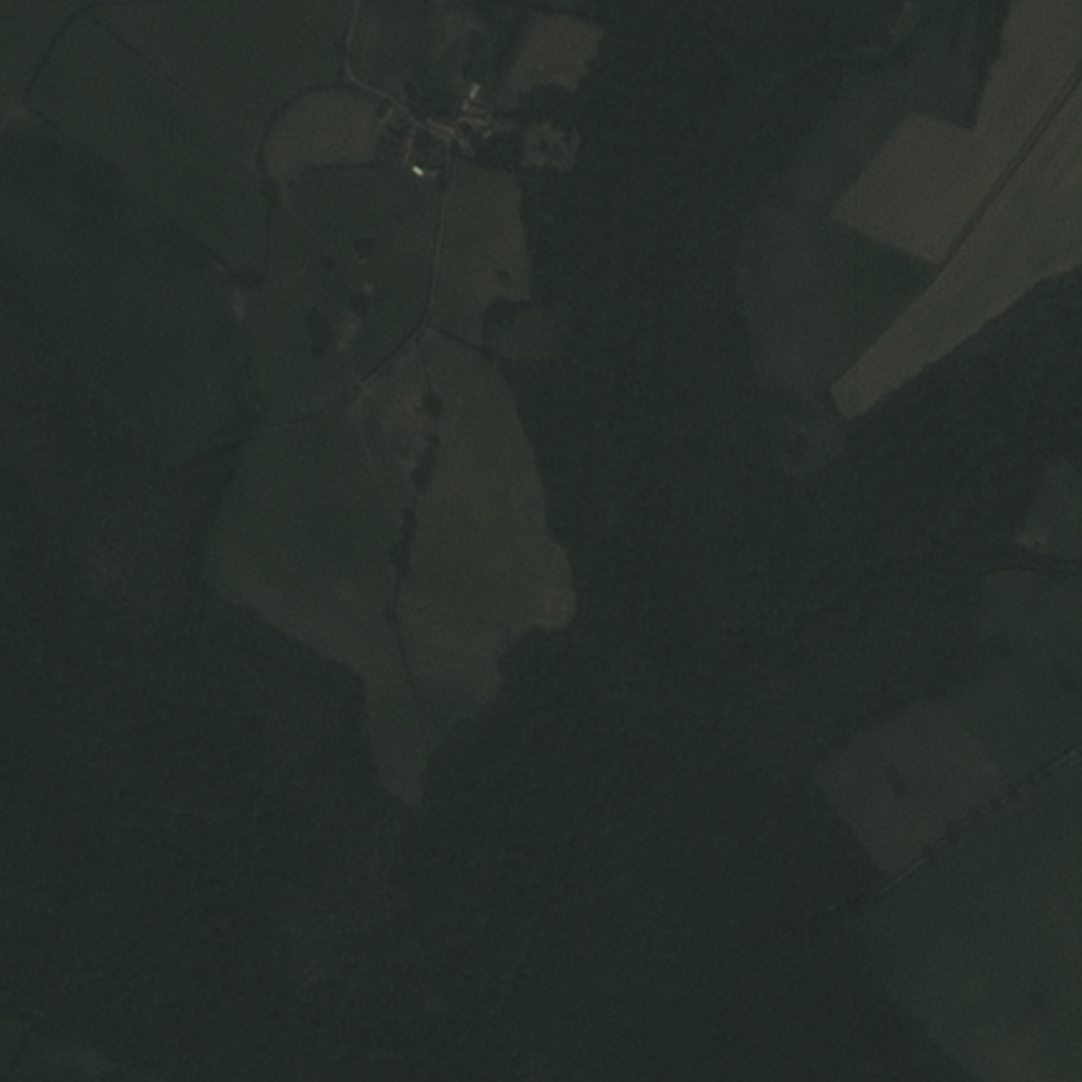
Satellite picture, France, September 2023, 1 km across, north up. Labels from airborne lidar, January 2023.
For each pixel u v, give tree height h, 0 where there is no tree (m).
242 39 0
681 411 12
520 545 0
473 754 19
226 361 0
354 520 0
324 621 0
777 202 0
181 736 28
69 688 28
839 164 0
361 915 19
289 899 19
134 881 24
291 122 0
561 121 25
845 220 0
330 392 0
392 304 0
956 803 0
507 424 0
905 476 21
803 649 21
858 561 23
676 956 15
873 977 18
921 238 0
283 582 0
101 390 0
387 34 0
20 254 0
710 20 13
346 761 25
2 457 17
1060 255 0
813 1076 21
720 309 6
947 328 0
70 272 0
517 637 0
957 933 0
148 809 24
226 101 0
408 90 16
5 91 0
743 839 20
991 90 0
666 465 25
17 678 27
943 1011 0
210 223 0
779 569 18
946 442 13
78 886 22
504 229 0
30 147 0
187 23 0
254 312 0
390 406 0
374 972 9
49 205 0
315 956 18
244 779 21
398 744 0
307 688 19
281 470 0
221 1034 23
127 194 0
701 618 16
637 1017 19
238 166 0
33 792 24
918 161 0
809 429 0
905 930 0
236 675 14
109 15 0
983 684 0
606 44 14
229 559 0
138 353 0
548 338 0
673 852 20
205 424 0
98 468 17
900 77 0
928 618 18
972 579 11
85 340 0
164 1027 26
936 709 0
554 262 21
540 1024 18
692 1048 20
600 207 33
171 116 0
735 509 18
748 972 21
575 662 22
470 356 0
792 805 20
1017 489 22
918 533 37
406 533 10
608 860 20
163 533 22
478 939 20
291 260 0
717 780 22
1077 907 0
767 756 23
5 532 19
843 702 19
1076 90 0
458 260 0
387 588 0
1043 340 5
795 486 15
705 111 12
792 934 14
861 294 0
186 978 21
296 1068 26
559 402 29
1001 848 0
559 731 22
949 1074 14
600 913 21
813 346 0
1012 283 0
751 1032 19
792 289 0
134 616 14
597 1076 19
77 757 24
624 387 29
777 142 21
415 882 21
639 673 13
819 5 10
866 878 21
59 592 23
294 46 0
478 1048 11
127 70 0
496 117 8
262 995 25
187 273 0
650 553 8
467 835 19
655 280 25
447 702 0
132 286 0
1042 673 0
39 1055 0
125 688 27
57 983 20
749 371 12
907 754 0
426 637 0
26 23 0
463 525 0
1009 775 0
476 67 0
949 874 0
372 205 0
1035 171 0
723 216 17
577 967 20
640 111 22
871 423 14
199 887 25
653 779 23
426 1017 14
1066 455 0
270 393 0
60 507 24
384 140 9
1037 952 0
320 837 13
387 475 0
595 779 23
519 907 19
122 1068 10
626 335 8
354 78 0
